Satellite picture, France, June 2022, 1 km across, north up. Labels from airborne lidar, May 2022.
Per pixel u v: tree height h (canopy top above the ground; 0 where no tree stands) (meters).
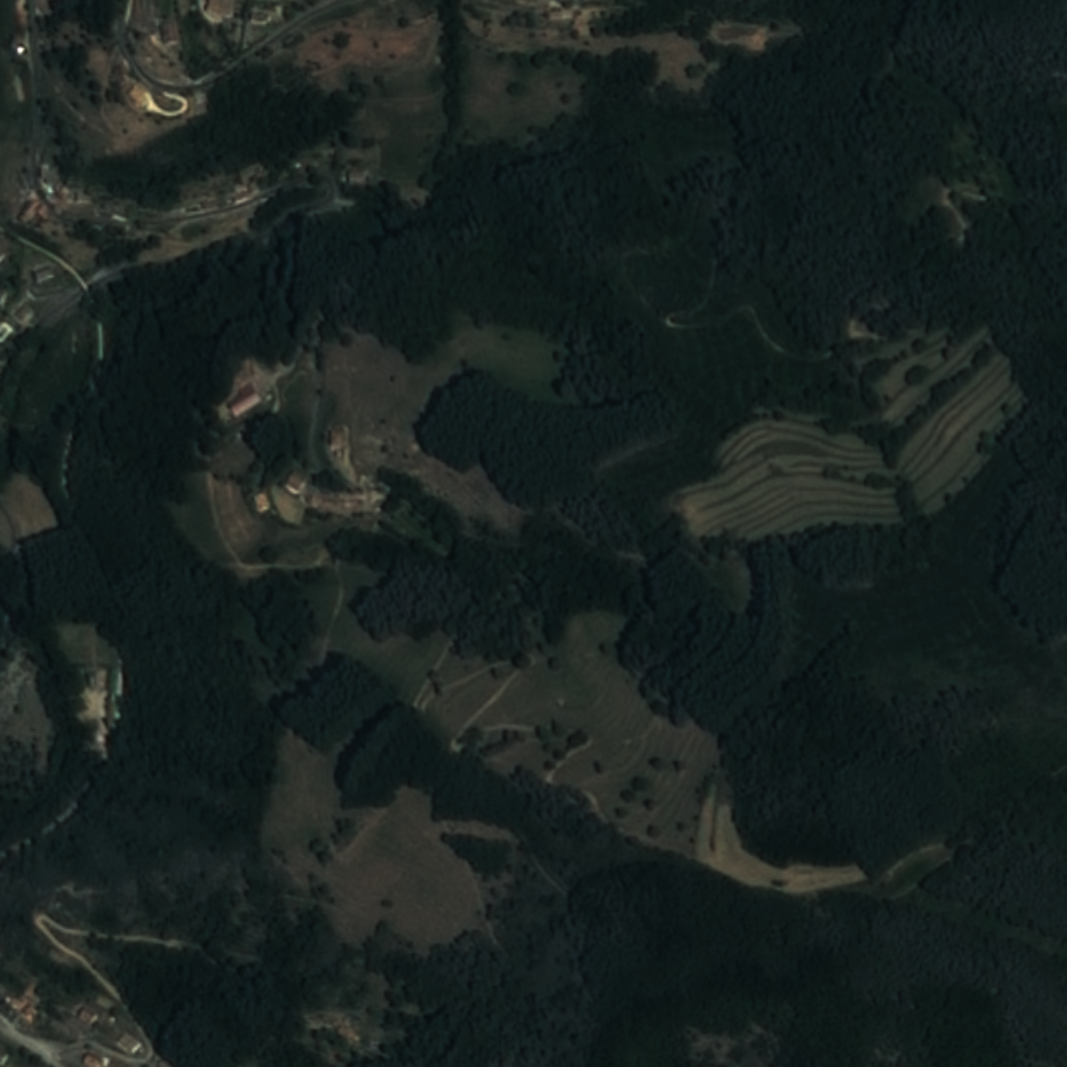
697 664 37
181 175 15
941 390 10
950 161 14
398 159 0
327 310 15
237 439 0
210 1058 33
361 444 0
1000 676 0
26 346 21
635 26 9
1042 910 24
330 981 10
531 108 0
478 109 0
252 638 0
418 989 16
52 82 0
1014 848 19
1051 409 15
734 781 7
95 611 25
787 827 10
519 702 0
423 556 18
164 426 20
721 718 34
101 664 0
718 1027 9
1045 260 26
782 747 12
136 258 13
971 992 20
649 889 13
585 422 36
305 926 10
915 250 15
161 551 16
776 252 18
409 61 0
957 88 17
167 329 20
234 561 0
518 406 34
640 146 8
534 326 16
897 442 13
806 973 22
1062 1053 16
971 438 0
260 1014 30
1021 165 22
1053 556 30
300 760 0
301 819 0
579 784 0
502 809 16
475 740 13
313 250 24
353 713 39
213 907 7
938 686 0
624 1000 15
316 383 0
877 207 20
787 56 22
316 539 0
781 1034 7
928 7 32
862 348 16
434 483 0
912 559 15
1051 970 21
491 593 21
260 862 10
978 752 5
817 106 26
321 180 14
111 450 14
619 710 0
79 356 0
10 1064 0
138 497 11
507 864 9
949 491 0
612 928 16
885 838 30
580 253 13
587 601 15
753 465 0
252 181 9
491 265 20
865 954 19
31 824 16
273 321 33
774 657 37
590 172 16
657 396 14
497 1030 10
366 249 6
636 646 23
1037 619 27
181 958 13
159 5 0
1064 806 12
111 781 13
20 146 0
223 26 6
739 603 0
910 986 17
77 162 7
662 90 17
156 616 19
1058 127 22
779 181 32
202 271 11
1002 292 14
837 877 0
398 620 23
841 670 15
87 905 0
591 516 22
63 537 26
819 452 0
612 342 18
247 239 17
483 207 12
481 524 7
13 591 32
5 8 0
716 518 0
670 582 33
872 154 20
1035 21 16
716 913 19
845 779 23
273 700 0
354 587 0
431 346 14
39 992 12
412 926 0
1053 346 16
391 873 0
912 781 24
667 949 13
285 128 11
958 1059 19
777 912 14
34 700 0
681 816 0
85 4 12
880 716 7
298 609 18
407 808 0
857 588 40
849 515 0
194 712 15
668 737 0
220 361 29
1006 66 23
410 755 22
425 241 16
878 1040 16
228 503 0
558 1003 9
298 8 14
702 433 6
